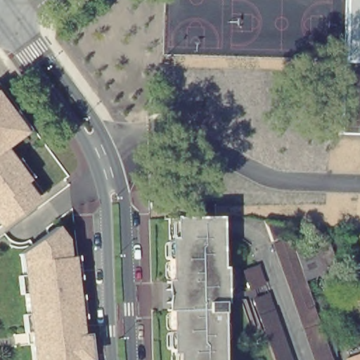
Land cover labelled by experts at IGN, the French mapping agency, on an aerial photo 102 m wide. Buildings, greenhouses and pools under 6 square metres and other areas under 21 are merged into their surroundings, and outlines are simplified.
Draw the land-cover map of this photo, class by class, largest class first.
<instances>
[{"label":"impervious surface","instance_id":"1","mask_svg":"<svg viewBox=\"0 0 360 360\"><path fill-rule=\"evenodd\" d=\"M65 7L53 13L51 20L42 22L38 27L37 13L46 0H0V77L8 72L18 75L21 72L24 77H39L41 83L48 87L49 105L52 108L53 105L60 104L62 110L58 115L65 118L72 128V132L66 136L70 146L77 157V169L69 177L67 181L63 179L53 184L51 190L46 193H38L30 207L25 208L24 217L17 219L13 225L8 226V229L0 224V249H17L20 255L30 252L41 240L51 236L62 226L72 236L75 255L84 257L83 263L80 264L82 273L86 276L83 291L89 295V300L84 302V305L87 314H90L87 329L96 337V360H153L152 314L166 309V283H153L150 280L149 221L152 217L145 207L150 201L136 186L135 174L146 176V172L135 162L134 157L136 145L141 141L143 134L155 127V121L141 122L138 129L131 127L127 122L114 124L110 112L101 103L96 91L91 89L90 84L59 44L56 39V25L65 24L69 15L76 14L87 0H56ZM112 201L117 202L120 207L124 294L121 304H115L114 300ZM346 0H174L166 6V53L247 58L260 56L290 60L297 58L301 53H309L314 48L318 49L328 44L329 35L336 39L346 37ZM205 141L210 143L214 150L215 163H219L221 172L224 173L238 172L260 186L280 190L360 194V173L280 172L264 167L255 160L246 159L235 149L226 148L223 142L205 132ZM266 222L252 218L245 221L229 219V250L233 246L238 247V255L246 262L249 255L256 262H263L266 267L269 276L266 284L250 288V284L246 283L245 270V266L232 267V302L239 312L243 309V322L252 323L259 329L263 318L259 316L256 294L273 290L277 304L283 312L298 360H312L314 353L302 326L290 284L285 277L280 257L274 250L273 242L267 238L264 228ZM332 360H360V345L356 349L343 350L340 353V350L330 342Z\"/></svg>","mask_w":360,"mask_h":360},{"label":"herbaceous vegetation","instance_id":"2","mask_svg":"<svg viewBox=\"0 0 360 360\"><path fill-rule=\"evenodd\" d=\"M111 6L107 14L97 15L84 30L77 28L69 35V41H62L59 44L90 84L91 89L96 91L101 103L110 112L114 124L127 122L131 127L138 129L141 122L155 121L160 115H149V112L145 111V89L149 80L155 79V73H162L166 82L174 87V98L167 108L180 112V120H187L191 129H204L205 132L223 142L226 148L235 149L246 159L255 160L264 167L280 172L360 173V134L356 132L354 135H339V145L328 152L326 146L330 141L316 143L307 135L297 136L291 125H288L285 135L274 134L269 124L263 120V110L269 111L271 108V100L267 94L271 87L276 86L271 83V70L285 72L290 60L260 56L247 58L166 53V6L174 0H105ZM18 75L8 72L0 77V90L6 94L31 131L37 127L34 117L21 107L11 91L10 82L17 80ZM14 153L31 173L38 193H46L51 190L53 184L63 179V173L44 148L37 152L31 143L24 141L14 146ZM69 173V177L77 169V157L70 146L65 152H53ZM222 176L225 187L219 188L217 194L202 197L208 215H226L229 219L245 221L252 218L266 222H269L271 219L300 225L302 221L309 222L315 226V232L319 235H328L330 226L336 225L340 219H347L349 224L360 228V194L280 190L260 186L238 172L224 173ZM152 217L149 221L150 280L153 283H166L165 245L170 232L167 226L169 218L166 208L157 207L155 202L150 201L145 207ZM256 262L249 255L246 262L238 255V247L233 246L229 250V264L232 267L245 266V270L247 263ZM22 271L20 255L17 249H0V319L6 328L20 326L24 322L27 307L18 283ZM273 335H266L252 323L243 322V309L239 312L232 302L231 360H274L276 357L269 347ZM166 309L152 314L153 360H176L166 347Z\"/></svg>","mask_w":360,"mask_h":360},{"label":"building","instance_id":"3","mask_svg":"<svg viewBox=\"0 0 360 360\"><path fill-rule=\"evenodd\" d=\"M346 37L350 49L347 60L352 62L350 69L360 77V0H346ZM342 118L339 125L343 131H340L339 135H354L356 132L360 134V90L353 84H342V96L339 98ZM31 131L6 94L0 90V224L8 229V226L13 225L17 219L24 217L25 208L30 207L38 193L31 173L14 153V146L24 141ZM44 148L63 173V179L67 181L69 177V173L53 152L48 142ZM167 226L170 232L165 245L166 283V347L176 360H231L232 302V267L229 264V219L226 215H208L169 218ZM264 228L267 238L273 242L274 250L280 257L285 277L290 284L302 326L314 353L312 360H332L330 342H325V335L321 332V312H316V298L312 297L314 291L312 285H309V280L323 277V274L328 273L332 260H335L333 249L325 253H315L311 257H302L298 249H292L288 243L276 239L280 235V228H270L269 222H266ZM22 271L18 283L27 307L24 322V333L14 335L15 357L18 360H96V337L87 329L90 314H87L84 305V302L89 300V295L83 291L86 276L82 273L80 264L83 263L84 257L75 255L72 236L62 226L51 236L41 240L30 252L20 255ZM246 283L250 284V288L266 284L269 276L266 267L263 262H256L247 263L245 270ZM259 316L263 318L259 329L266 335H273L269 347L276 357L274 360H298L283 312L277 304L273 290L256 294Z\"/></svg>","mask_w":360,"mask_h":360},{"label":"deciduous trees","instance_id":"4","mask_svg":"<svg viewBox=\"0 0 360 360\"><path fill-rule=\"evenodd\" d=\"M65 7L56 0H46L37 13L38 27L42 22L51 20L53 13ZM111 6L105 0H87L76 14L69 15L65 24L56 25V39L59 44L62 41H69V35L77 28L84 30L97 15L107 14ZM350 49L346 37L336 39L329 35L328 44L318 49L314 48L309 53H301L297 58L290 60L285 72L271 70V83L276 86L271 87L267 94L271 100V108L269 111L263 110V120L269 124L274 134L285 135L288 125H291L297 136L307 135L316 143L330 141L326 146L328 152L339 145V135L340 131H343L339 125L342 118L339 98L342 96V84H353L360 90V77L350 69L352 62L347 60ZM11 91L21 107L34 117L37 127L31 131L24 141L31 143L37 152L44 148L48 142L53 152H65L70 146L66 136L72 132V128L65 118L58 115L62 110L60 104L53 105L52 108L49 105L48 87L41 83L39 77H24L21 72L18 75L17 80L10 82ZM174 98V87L166 82L162 73H155V79L149 80L145 89V111L149 112V115H160L155 121V127L143 134L141 141L136 145L134 157L135 162L146 172V176L135 174L136 186L150 201L155 202L157 207L166 208L169 218L208 215L202 197L217 194L219 188L225 187L222 176L224 173L221 172L219 163H215L214 150L210 143L205 141V132L204 129H191L187 120H180V112L167 108ZM270 228H280V235L276 239L288 243L292 249H298L302 257H311L315 253H325L333 249L335 260H332L328 273L323 274V277L309 280V285H312L314 291L312 297L316 298V312H321V332L325 335V342H330L340 350V353L343 350L356 349L360 345V228L349 224L347 219H340L336 225L330 226L328 235H319L315 232V226L309 222L302 221L300 225L271 219L269 222ZM24 333V322L20 326L6 328L0 319V360H18L15 357L14 335Z\"/></svg>","mask_w":360,"mask_h":360},{"label":"brushwood","instance_id":"5","mask_svg":"<svg viewBox=\"0 0 360 360\"><path fill-rule=\"evenodd\" d=\"M114 300L115 304H121L124 294L120 207L117 202L112 201Z\"/></svg>","mask_w":360,"mask_h":360}]
</instances>
